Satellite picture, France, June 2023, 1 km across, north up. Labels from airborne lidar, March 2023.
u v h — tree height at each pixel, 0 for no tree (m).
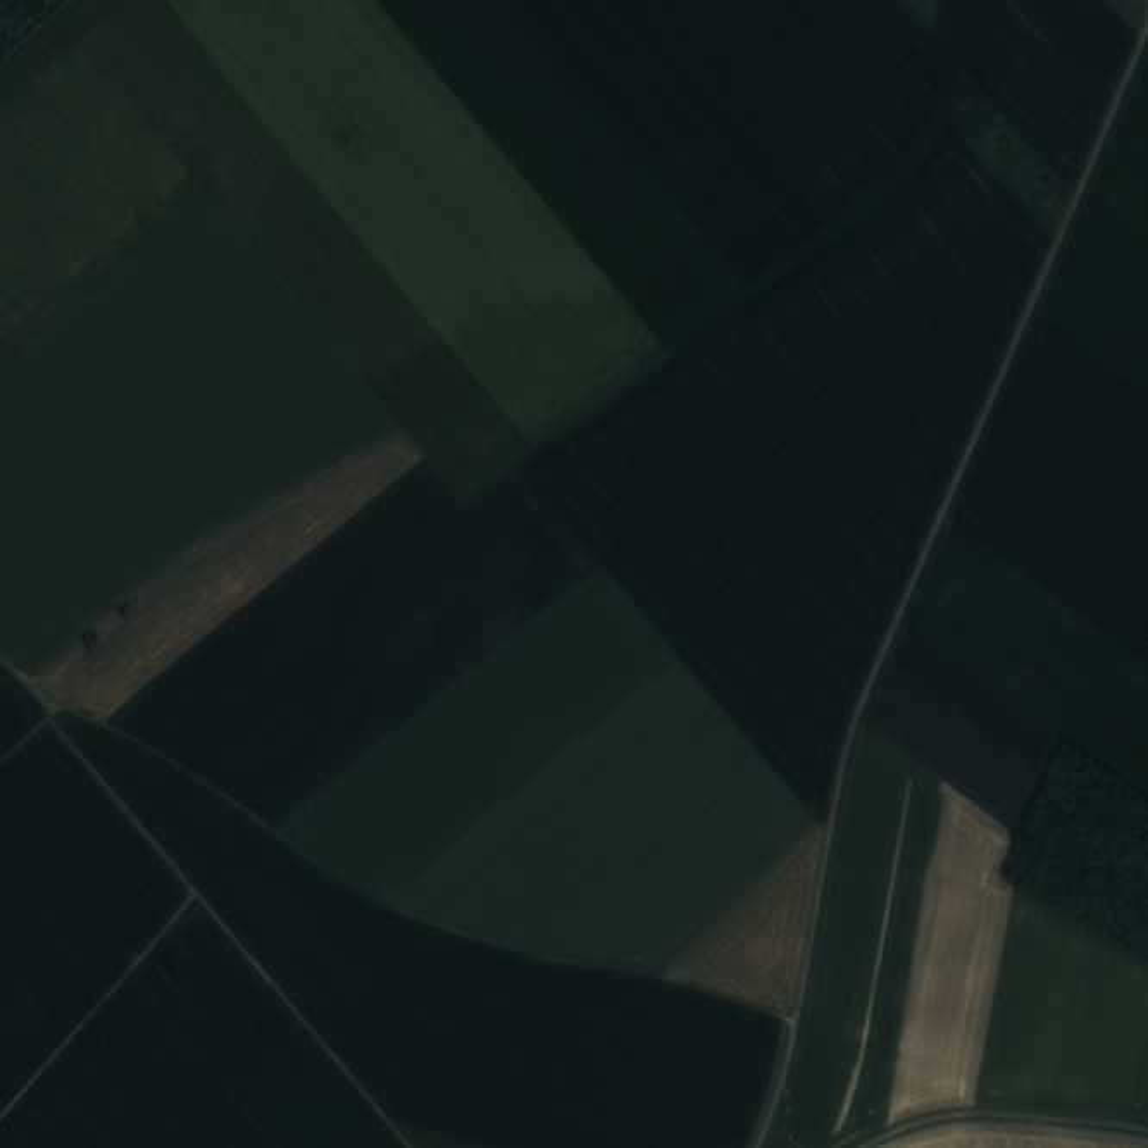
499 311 0
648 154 0
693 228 0
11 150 0
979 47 0
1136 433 0
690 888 0
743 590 0
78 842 0
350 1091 0
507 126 0
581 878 0
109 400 0
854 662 0
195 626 0
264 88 0
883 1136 0
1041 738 0
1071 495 0
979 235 0
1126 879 13
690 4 0
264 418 0
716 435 0
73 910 0
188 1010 0
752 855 0
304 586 0
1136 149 0
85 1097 0
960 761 0
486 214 0
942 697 0
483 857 0
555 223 0
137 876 0
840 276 0
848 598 0
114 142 0
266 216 0
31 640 0
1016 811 0
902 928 0
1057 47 0
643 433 0
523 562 0
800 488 0
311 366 0
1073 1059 0
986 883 0
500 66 0
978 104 0
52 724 0
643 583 0
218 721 0
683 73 0
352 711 0
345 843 0
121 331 0
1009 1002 0
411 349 0
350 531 0
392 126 0
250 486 0
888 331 0
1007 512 0
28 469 0
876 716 0
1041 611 0
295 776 0
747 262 0
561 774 0
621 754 0
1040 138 0
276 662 0
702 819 0
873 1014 0
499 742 0
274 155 0
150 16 0
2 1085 0
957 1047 0
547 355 0
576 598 0
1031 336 0
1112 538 0
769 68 0
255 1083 0
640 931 0
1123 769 0
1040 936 0
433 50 0
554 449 0
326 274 0
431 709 0
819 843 0
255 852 0
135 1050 0
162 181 0
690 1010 0
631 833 0
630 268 0
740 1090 0
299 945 0
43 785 0
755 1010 0
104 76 0
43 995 0
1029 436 0
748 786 0
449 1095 0
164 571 0
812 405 0
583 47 0
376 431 0
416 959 0
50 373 0
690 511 0
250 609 0
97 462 0
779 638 0
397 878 0
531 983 0
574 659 0
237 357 0
